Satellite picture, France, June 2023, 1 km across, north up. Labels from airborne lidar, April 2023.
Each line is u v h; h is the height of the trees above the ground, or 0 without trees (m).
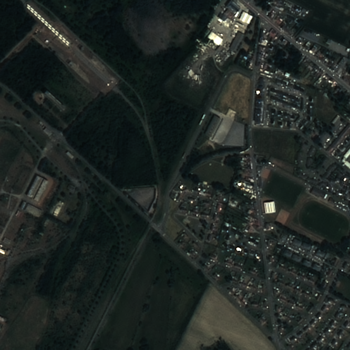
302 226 0
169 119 7
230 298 0
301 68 0
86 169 7
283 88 0
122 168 10
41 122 0
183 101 0
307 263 0
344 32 0
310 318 0
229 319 0
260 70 0
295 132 0
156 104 0
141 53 7
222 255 0
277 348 0
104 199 0
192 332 0
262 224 0
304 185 0
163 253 0
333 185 0
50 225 0
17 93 7
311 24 0
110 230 6
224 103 0
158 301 0
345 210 0
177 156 0
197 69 0
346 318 0
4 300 0
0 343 0
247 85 0
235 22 0
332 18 0
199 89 0
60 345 8
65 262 6
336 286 0
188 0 14
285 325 11
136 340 0
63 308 0
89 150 7
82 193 0
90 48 0
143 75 6
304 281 0
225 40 0
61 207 0
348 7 0
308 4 0
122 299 0
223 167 0
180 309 0
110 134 6
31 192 0
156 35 0
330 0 0
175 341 0
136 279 0
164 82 0
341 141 0
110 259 8
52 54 13
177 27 0
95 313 0
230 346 0
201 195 0
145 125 0
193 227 0
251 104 0
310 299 0
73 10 0
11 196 0
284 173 0
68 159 0
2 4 7
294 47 10
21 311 0
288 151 0
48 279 6
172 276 7
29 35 0
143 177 12
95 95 0
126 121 12
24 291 0
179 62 0
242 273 0
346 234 0
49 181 0
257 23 6
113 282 0
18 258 0
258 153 0
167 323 0
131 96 6
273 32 0
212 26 0
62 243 7
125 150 11
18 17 13
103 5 9
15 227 0
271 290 0
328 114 0
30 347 0
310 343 0
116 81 0
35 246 0
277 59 16
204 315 0
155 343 0
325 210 0
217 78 0
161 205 0
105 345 0
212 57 0
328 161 0
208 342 0
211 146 0
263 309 0
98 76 0
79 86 0
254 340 0
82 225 9
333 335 0
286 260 8
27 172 0
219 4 0
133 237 0
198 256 0
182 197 0
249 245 0
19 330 0
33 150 0
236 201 0
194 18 8
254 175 0
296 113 0
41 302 0
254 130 0
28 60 9
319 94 0
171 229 0
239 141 0
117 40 17
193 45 0
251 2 0
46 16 0
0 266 0
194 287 0
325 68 0
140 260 0
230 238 0
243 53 15
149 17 0
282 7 0
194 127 0
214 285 0
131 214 0
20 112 0
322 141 0
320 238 0
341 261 0
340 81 0
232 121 0
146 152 9
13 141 0
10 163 0
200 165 0
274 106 0
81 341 0
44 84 0
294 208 0
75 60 0
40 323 0
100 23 15
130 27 0
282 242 0
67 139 11
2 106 0
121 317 0
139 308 0
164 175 5
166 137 6
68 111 0
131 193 0
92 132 6
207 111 0
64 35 0
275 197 0
